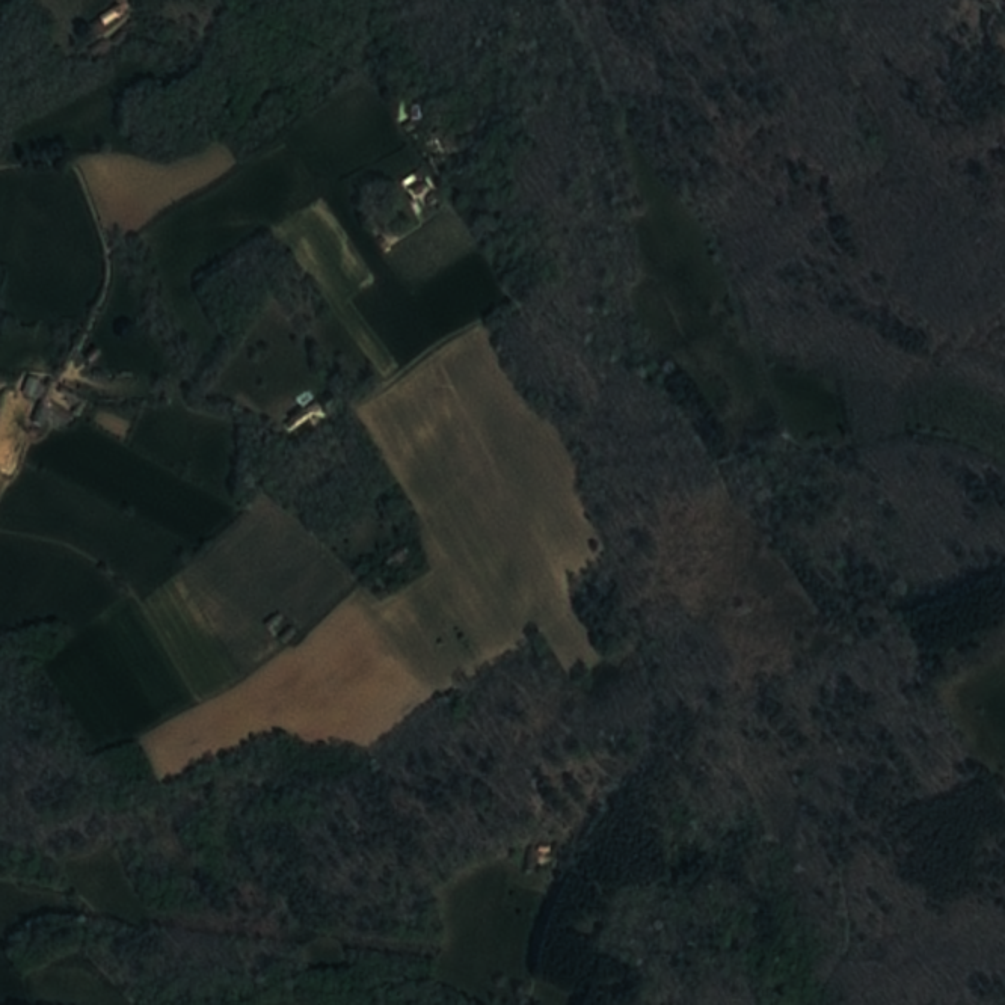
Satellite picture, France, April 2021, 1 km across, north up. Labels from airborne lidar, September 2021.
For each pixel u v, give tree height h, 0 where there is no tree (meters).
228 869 19
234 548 0
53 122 0
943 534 19
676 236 0
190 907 22
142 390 0
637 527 20
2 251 0
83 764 19
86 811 17
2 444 0
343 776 12
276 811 24
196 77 18
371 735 0
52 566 0
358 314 0
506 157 21
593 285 14
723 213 13
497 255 14
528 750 16
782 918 18
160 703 0
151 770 10
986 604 23
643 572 13
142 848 14
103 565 8
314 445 20
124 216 0
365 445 19
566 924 23
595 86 23
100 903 0
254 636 0
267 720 0
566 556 0
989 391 12
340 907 17
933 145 9
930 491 16
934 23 15
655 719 15
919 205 11
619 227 16
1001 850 11
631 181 19
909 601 14
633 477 25
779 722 19
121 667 0
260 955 12
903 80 9
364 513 12
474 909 0
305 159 0
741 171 12
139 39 11
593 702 6
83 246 0
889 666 12
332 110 0
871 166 13
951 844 18
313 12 23
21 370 0
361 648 0
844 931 10
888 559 19
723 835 20
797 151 8
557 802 24
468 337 0
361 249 0
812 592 21
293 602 0
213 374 13
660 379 25
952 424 16
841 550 17
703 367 16
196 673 0
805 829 16
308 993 20
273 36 21
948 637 23
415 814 12
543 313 16
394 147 0
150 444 0
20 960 19
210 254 0
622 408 21
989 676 0
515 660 8
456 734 19
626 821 22
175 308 0
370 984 20
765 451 24
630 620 16
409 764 10
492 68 22
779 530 20
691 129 20
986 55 0
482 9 19
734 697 12
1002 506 21
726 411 20
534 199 19
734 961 24
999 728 0
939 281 14
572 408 18
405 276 0
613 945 17
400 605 0
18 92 13
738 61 14
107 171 0
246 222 0
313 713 0
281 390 0
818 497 16
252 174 0
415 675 0
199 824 20
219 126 17
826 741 14
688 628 19
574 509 0
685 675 18
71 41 0
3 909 0
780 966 21
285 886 19
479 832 13
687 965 20
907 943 14
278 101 20
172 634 0
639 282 13
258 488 16
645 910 17
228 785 12
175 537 0
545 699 7
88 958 19
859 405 17
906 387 13
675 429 19
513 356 16
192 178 0
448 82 20
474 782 19
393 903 14
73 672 0
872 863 16
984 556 14
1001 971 13
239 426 11
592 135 23
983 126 22
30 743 19
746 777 15
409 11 19
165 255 0
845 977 13
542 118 16
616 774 15
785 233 13
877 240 11
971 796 14
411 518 12
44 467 8
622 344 17
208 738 0
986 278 10
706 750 16
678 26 12
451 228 0
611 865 21
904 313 9
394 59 14
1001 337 7
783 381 0
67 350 9
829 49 12
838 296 13
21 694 21
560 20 26
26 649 18
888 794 20
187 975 18
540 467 0
